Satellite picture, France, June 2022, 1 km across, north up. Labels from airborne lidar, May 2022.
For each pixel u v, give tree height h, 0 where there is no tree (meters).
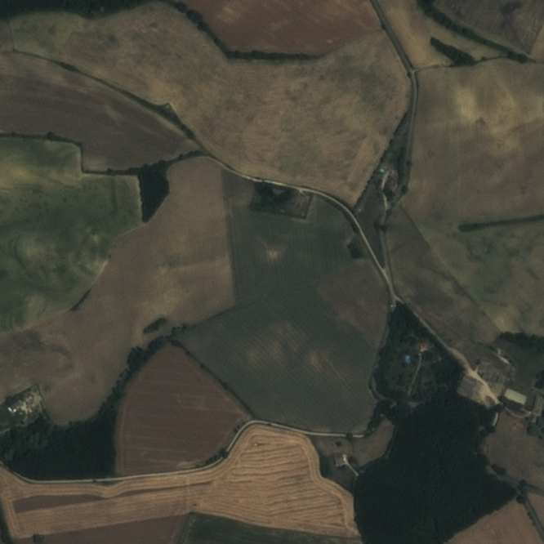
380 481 17
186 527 0
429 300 0
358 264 0
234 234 0
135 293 0
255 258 0
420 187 0
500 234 0
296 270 0
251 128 0
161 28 0
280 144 0
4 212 0
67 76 0
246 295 0
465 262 0
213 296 0
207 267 0
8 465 11
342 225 0
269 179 0
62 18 0
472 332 0
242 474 0
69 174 0
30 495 0
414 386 10
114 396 6
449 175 0
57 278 0
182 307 0
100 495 0
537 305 0
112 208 0
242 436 0
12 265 0
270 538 0
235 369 0
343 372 0
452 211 0
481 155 0
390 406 13
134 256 0
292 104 0
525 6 0
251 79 0
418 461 17
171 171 0
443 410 21
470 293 0
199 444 0
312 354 0
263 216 0
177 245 0
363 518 11
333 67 0
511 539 0
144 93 0
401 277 0
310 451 0
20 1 19
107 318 0
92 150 0
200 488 0
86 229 0
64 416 0
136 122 0
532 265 0
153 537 0
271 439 0
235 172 0
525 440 0
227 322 0
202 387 0
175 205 0
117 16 0
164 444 0
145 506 0
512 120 0
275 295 0
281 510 0
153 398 0
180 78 0
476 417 18
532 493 0
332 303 0
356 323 0
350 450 0
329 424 0
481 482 17
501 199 0
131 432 0
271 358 0
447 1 0
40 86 0
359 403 0
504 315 0
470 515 13
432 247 0
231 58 10
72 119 0
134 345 0
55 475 13
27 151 0
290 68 0
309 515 0
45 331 0
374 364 0
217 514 0
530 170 0
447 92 0
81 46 0
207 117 0
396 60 0
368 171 0
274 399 0
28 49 0
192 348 0
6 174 0
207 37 0
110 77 0
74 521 0
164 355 0
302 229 0
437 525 16
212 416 0
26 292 0
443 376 6
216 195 0
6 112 0
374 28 0
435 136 0
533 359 0
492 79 0
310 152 0
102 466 11
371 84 0
